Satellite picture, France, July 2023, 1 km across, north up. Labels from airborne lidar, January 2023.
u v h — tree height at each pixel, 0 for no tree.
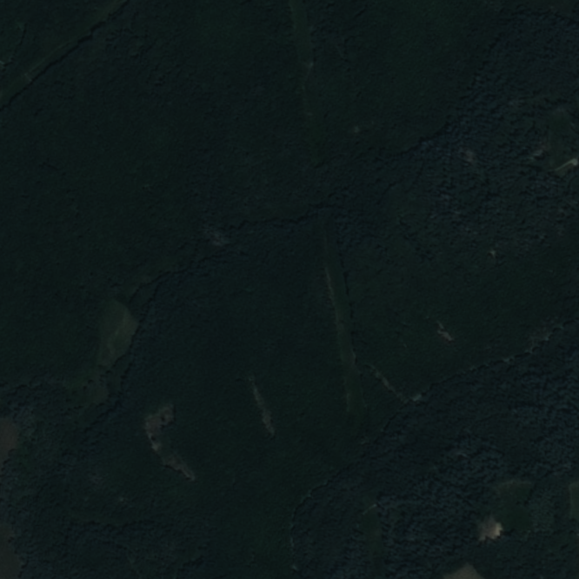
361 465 20
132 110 17
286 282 19
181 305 16
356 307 22
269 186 15
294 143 17
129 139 23
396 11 19
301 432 12
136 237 19
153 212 16
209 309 21
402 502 20
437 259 20
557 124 0
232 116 17
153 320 14
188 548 7
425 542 24
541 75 16
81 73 25
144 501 18
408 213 23
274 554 17
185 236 16
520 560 8
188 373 19
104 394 0
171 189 22
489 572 11
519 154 30
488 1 12
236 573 15
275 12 22
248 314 19
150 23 25
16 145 19
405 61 19
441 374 17
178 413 18
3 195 17
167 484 19
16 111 17
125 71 21
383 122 21
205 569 11
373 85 21
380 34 22
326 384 21
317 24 14
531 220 28
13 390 14
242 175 16
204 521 18
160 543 14
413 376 20
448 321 20
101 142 23
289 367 23
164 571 6
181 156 23
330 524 10
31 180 21
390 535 19
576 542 8
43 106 13
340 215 13
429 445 6
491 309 16
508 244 29
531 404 7
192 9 19
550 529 20
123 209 16
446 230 28
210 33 16
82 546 18
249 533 16
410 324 18
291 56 15
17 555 15
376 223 19
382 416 20
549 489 20
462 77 19
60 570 20
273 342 21
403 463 7
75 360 20
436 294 25
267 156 14
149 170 21
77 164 15
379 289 26
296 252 21
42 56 16
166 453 0
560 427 25
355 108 21
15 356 17
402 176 22
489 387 6
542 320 13
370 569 22
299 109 19
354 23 18
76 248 26
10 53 20
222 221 5
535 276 15
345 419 18
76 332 18
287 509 18
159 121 19
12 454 11
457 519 12
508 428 7
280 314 22
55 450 9
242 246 18
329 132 18
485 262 22
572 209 19
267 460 19
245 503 16
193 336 23
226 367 22
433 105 17
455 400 7
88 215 28
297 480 19
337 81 21
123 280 20
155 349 17
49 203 25
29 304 18
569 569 10
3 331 14
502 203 34
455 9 20
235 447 21
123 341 0
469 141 28
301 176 16
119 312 0
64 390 10
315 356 18
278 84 18
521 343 15
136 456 18
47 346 18
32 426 15
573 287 25
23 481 8
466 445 26
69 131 18
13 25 22
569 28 25
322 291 26
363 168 17
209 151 21
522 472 20
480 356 17
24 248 20
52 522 18
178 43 22
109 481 13
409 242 30
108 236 20
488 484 20
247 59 19
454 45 20
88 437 15
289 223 17
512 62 15
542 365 10
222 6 17
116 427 18
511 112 27
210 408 20
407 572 26
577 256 19
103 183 17
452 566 18
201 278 18
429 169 24
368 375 23
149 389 19
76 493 8
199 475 17
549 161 28
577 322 7
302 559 21
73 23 16
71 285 23
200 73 15
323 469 17
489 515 0
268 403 19
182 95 23
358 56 19
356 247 22
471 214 27
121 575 18
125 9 18
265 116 16
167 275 11
